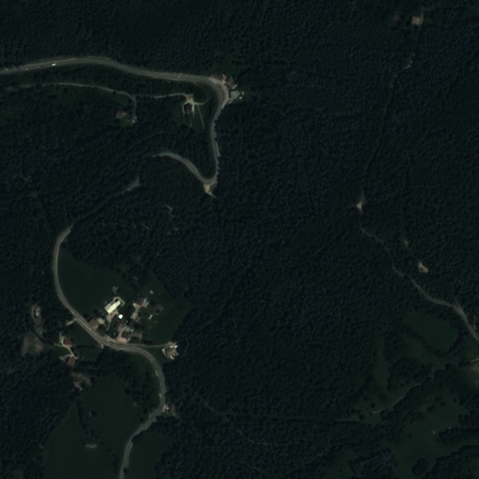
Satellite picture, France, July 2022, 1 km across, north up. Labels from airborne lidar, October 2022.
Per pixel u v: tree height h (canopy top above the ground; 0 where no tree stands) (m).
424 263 6
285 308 14
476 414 14
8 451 25
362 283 20
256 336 26
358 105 27
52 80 7
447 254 17
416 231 20
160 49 34
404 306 22
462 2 21
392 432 9
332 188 27
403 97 12
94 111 26
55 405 35
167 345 0
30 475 29
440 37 28
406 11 23
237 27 16
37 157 24
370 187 13
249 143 10
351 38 25
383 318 19
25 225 21
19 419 27
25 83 0
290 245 23
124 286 0
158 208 23
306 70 26
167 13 24
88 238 11
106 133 30
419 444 0
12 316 24
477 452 10
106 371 19
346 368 28
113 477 0
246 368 22
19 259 25
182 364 20
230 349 30
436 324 0
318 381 20
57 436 0
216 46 16
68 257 0
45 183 27
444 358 8
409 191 22
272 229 22
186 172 17
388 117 23
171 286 22
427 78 19
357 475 25
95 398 0
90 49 22
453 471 22
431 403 0
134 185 0
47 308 18
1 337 19
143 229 31
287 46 25
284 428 19
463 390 9
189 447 22
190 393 22
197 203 19
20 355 8
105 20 15
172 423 16
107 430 0
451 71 30
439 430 0
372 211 21
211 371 22
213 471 22
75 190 27
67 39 21
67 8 17
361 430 18
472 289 10
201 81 0
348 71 27
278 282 22
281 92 24
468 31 27
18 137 28
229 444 23
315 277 19
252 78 19
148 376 6
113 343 0
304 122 22
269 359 20
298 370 20
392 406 0
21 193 26
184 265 29
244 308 8
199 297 24
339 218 15
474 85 26
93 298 0
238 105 7
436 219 16
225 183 24
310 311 19
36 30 21
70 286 0
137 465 0
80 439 0
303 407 17
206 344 26
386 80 16
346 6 22
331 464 21
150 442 0
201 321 18
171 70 8
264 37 26
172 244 27
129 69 0
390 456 22
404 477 0
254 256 6
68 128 21
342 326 24
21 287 20
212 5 26
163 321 0
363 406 0
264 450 15
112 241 18
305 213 19
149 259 12
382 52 30
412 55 9
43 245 24
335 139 20
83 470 0
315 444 22
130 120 0
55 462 0
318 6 19
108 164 23
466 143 18
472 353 0
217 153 0
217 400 16
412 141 27
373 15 33
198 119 0
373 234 16
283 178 20
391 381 15
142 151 28
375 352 14
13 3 26
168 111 6
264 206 30
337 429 18
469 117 20
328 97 21
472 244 18
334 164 15
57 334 10
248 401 21
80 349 9
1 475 15
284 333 11
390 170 27
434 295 11
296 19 16
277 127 29
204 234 25
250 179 10
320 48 20
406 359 7
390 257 20
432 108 28
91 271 0
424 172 24
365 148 27
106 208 28
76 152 32
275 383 21
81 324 0
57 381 31
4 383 14
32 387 29
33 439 26
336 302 25
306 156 16
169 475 13
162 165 19
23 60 19
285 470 19
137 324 7
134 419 0
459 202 14
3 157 21
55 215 24
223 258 19
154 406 8
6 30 32
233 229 12
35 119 16
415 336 8
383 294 21
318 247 19
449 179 16
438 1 32
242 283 7
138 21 28
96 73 6
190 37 21
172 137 15
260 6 27
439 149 17
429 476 17
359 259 18
